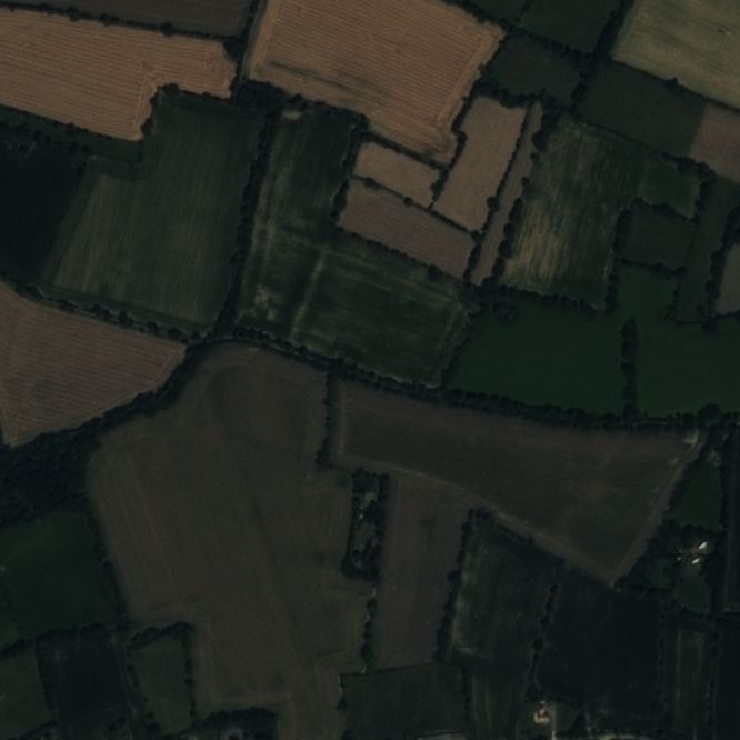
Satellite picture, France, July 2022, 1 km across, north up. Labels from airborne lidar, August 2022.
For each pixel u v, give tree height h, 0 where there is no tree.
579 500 0
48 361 0
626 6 11
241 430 0
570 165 0
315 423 0
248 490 0
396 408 0
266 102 16
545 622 11
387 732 0
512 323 0
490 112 0
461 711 0
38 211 0
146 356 0
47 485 14
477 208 0
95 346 0
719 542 21
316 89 0
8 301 0
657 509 0
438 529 0
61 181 0
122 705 0
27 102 0
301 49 0
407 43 0
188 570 0
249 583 0
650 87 0
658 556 7
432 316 0
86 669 0
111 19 10
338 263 0
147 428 0
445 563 0
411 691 0
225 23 0
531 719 0
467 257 0
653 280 0
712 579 15
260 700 0
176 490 0
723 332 0
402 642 0
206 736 0
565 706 8
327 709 0
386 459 0
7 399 0
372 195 0
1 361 0
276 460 0
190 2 0
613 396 0
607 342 0
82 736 0
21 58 0
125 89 0
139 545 0
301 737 0
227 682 0
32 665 0
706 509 0
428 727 0
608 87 0
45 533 0
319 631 0
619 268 6
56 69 0
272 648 0
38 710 0
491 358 0
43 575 0
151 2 0
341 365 15
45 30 0
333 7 0
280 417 0
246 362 0
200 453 0
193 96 8
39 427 0
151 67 0
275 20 0
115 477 0
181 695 0
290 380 0
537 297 13
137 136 0
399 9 0
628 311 0
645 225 0
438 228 0
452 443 0
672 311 8
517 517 0
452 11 0
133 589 0
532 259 0
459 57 0
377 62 0
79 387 0
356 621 0
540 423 19
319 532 0
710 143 0
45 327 0
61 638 22
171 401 14
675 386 0
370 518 11
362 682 0
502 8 0
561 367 0
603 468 0
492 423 0
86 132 8
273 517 0
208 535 0
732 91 0
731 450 18
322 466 13
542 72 0
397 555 0
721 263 18
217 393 0
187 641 16
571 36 0
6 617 0
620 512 0
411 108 0
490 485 0
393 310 0
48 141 13
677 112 0
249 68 0
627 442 0
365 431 0
